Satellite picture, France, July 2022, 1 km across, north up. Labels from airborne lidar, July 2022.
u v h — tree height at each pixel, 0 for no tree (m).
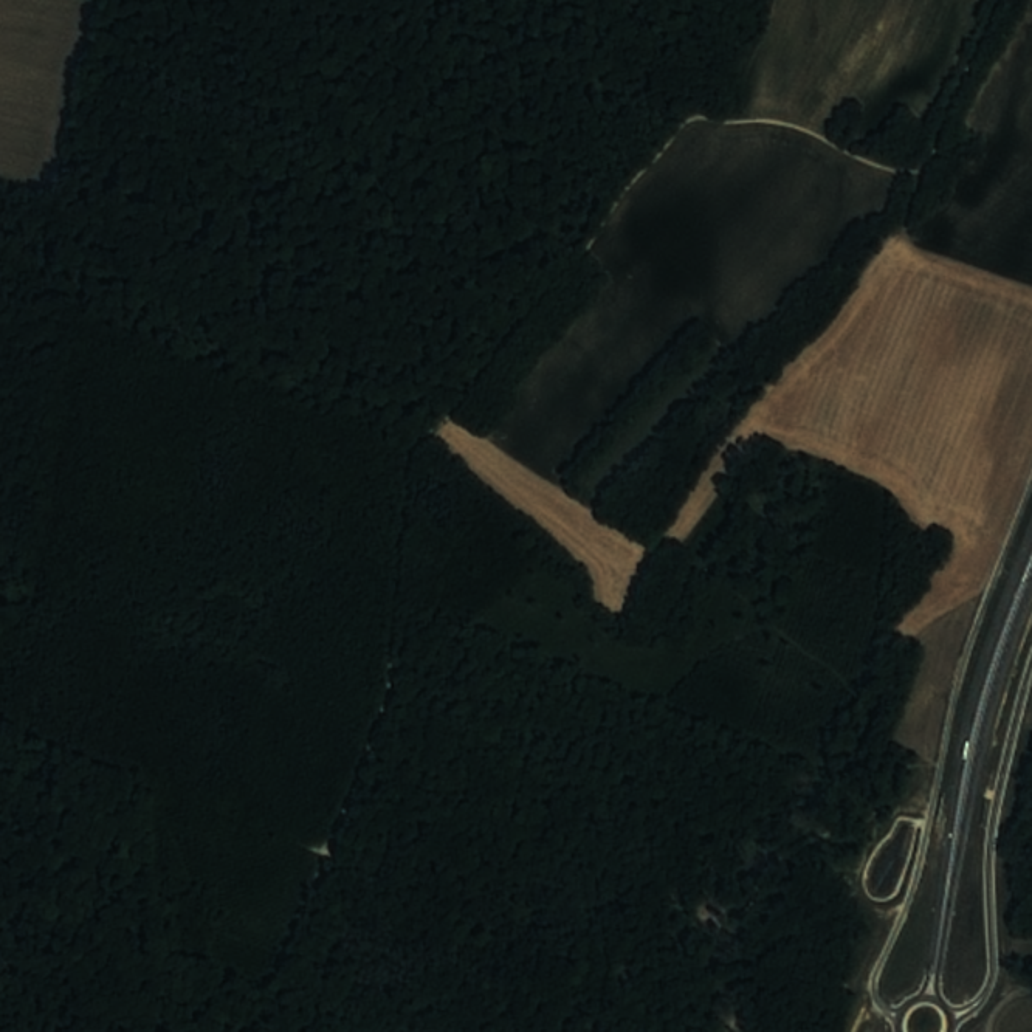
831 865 28
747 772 25
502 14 30
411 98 27
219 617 18
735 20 22
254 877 6
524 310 20
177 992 33
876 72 0
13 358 30
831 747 24
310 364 33
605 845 25
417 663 19
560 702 20
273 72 27
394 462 19
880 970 0
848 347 0
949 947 0
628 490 21
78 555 17
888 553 13
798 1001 30
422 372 29
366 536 18
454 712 23
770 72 0
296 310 33
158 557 14
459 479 16
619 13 23
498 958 15
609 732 27
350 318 32
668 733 22
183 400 16
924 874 0
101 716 16
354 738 18
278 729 13
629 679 0
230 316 27
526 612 0
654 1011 22
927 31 0
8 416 25
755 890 23
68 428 16
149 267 30
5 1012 27
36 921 33
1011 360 0
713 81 20
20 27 0
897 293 0
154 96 30
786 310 11
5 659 16
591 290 20
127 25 28
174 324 22
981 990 0
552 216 23
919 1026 0
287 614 15
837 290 19
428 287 28
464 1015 27
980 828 0
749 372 20
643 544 15
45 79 0
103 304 30
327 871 15
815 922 26
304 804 11
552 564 12
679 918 28
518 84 31
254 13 27
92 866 28
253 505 18
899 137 16
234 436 23
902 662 24
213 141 30
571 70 29
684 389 0
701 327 19
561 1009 26
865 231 17
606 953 31
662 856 23
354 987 19
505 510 19
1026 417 0
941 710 0
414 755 28
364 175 30
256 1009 25
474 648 25
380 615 17
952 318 0
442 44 29
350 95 29
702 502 0
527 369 9
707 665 8
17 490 20
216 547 17
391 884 26
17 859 30
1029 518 0
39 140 0
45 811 29
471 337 26
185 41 28
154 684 17
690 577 21
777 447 20
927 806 0
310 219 29
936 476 0
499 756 26
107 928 35
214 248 33
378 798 26
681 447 23
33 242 6
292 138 27
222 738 15
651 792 28
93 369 18
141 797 28
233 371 25
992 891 0
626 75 27
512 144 6
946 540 16
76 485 16
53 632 21
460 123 26
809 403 0
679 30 25
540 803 29
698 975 27
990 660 0
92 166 23
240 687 18
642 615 25
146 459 15
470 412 15
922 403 0
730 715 11
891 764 21
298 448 17
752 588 25
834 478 8
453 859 30
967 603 0
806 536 26
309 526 23
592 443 16
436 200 30
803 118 0
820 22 0
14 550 23
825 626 6
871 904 0
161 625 9
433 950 27
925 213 14
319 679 14
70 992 29
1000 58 13
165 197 28
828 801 28
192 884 8
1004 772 0
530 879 23
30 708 16
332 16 29
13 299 26
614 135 24
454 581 9
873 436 0
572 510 0
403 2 32
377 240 30
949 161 13
